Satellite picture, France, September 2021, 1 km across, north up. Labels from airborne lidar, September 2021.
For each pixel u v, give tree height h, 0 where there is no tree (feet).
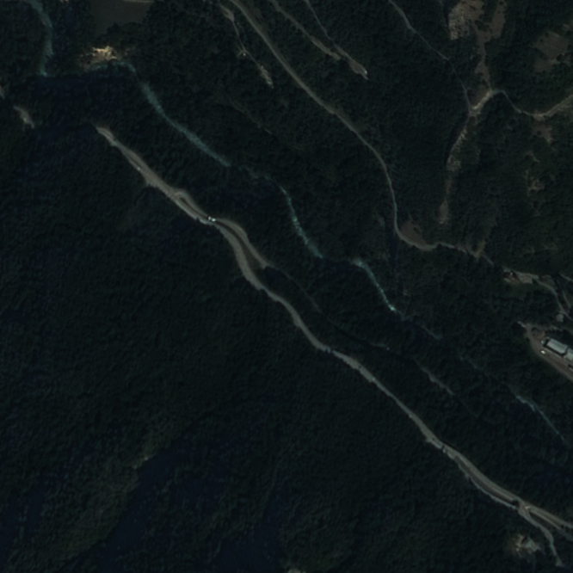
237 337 84
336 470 72
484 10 28
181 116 44
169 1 59
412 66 53
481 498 37
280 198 78
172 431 67
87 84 57
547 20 49
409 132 58
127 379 63
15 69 68
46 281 54
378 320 88
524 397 76
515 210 80
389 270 57
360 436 64
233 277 53
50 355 57
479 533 85
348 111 51
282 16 31
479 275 73
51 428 59
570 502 61
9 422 44
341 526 62
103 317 74
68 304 64
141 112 88
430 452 54
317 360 47
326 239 97
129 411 102
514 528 32
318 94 28
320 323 93
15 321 31
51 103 97
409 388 80
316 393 60
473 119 28
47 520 46
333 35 47
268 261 48
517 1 55
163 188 0
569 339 55
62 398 55
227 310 66
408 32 30
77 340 77
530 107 41
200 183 24
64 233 73
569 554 64
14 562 30
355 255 49
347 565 80
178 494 56
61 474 63
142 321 74
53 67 66
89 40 40
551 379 24
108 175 63
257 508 52
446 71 46
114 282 75
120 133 85
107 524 59
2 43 99
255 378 82
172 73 89
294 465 45
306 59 38
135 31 20
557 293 30
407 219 21
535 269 41
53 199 54
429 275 31
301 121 37
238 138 78
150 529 66
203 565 40
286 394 59
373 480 83
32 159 69
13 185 65
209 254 79
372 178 52
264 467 80
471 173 83
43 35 70
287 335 65
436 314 76
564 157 40
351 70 26
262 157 95
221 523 80
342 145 56
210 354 59
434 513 56
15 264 51
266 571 34
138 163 0
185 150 40
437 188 36
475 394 26
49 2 49
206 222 0
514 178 56
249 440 61
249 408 82
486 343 89
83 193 65
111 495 42
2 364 62
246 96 58
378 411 58
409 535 56
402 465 85
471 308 68
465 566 91
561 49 0
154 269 58
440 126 64
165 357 69
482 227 44
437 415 62
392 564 55
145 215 21
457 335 78
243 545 39
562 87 45
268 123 59
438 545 65
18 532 64
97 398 72
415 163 56
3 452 64
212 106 56
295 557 57
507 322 65
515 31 38
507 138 30
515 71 59
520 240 54
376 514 46
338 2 52
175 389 72
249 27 40
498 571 82
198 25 20
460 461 0
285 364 79
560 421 59
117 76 50
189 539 53
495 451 93
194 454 69
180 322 73
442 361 75
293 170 101
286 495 55
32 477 81
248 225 72
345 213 92
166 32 81
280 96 40
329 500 68
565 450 84
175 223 28
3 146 71
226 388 92
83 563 84
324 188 76
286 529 40
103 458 49
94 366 70
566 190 29
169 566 73
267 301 67
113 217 57
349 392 57
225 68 59
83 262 66
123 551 40
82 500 56
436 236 40
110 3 0
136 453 39
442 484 53
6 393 76
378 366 64
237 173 51
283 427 58
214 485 62
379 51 43
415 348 101
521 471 88
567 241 64
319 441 51
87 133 44
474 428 70
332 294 83
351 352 45
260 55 43
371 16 54
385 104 55
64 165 63
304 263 78
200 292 72
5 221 72
